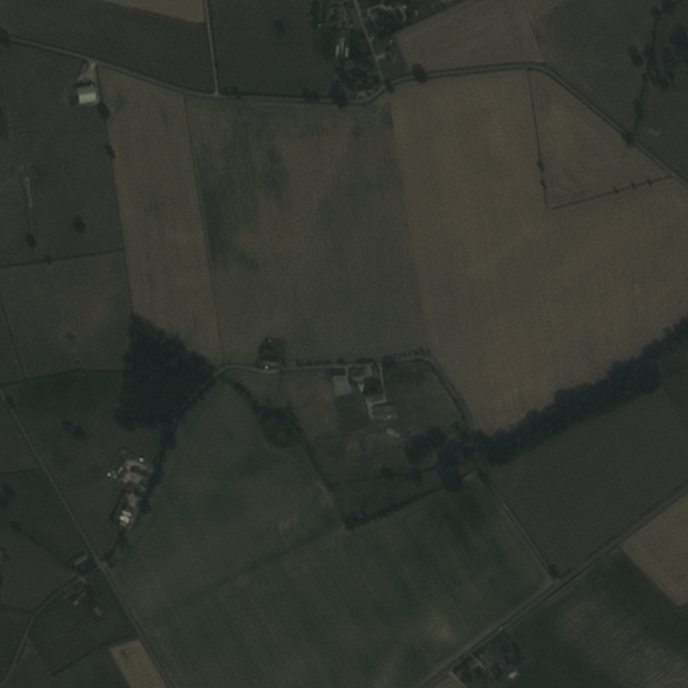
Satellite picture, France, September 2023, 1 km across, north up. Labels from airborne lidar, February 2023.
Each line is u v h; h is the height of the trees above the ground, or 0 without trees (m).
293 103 0
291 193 0
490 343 0
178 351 22
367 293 0
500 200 0
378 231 0
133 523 0
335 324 0
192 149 0
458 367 0
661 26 0
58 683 0
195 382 6
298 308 0
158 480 9
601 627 0
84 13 0
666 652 0
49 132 0
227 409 0
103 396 0
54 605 0
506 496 0
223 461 0
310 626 0
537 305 0
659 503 0
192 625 0
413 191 0
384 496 0
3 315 0
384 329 0
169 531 0
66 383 0
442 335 0
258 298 0
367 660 0
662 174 0
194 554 0
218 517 0
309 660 0
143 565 0
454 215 0
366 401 0
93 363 0
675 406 0
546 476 0
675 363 0
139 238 0
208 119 0
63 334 0
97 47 0
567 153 0
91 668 0
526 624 0
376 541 0
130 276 0
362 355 0
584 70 0
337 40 0
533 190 0
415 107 0
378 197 0
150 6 0
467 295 0
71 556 0
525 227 0
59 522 0
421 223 0
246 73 0
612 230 0
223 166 0
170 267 0
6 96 0
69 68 0
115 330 0
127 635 0
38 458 0
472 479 0
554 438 0
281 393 0
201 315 0
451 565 0
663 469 0
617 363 0
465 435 8
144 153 0
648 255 0
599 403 23
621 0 0
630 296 0
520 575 0
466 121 0
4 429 0
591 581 0
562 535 0
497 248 0
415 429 0
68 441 0
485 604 0
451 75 0
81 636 0
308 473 0
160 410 6
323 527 0
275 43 0
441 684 0
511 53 0
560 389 0
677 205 0
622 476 0
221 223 0
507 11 0
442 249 0
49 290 0
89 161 0
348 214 0
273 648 0
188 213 0
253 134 0
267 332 0
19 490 0
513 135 0
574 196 0
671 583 0
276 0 0
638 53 13
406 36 0
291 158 0
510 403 0
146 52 0
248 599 0
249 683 0
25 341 0
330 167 0
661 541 0
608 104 0
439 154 0
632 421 0
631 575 0
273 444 0
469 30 0
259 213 0
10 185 0
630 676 0
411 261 0
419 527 0
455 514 0
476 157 0
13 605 0
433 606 0
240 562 0
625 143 11
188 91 0
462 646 0
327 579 0
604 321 0
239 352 0
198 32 0
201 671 0
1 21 0
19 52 0
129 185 0
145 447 0
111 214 0
